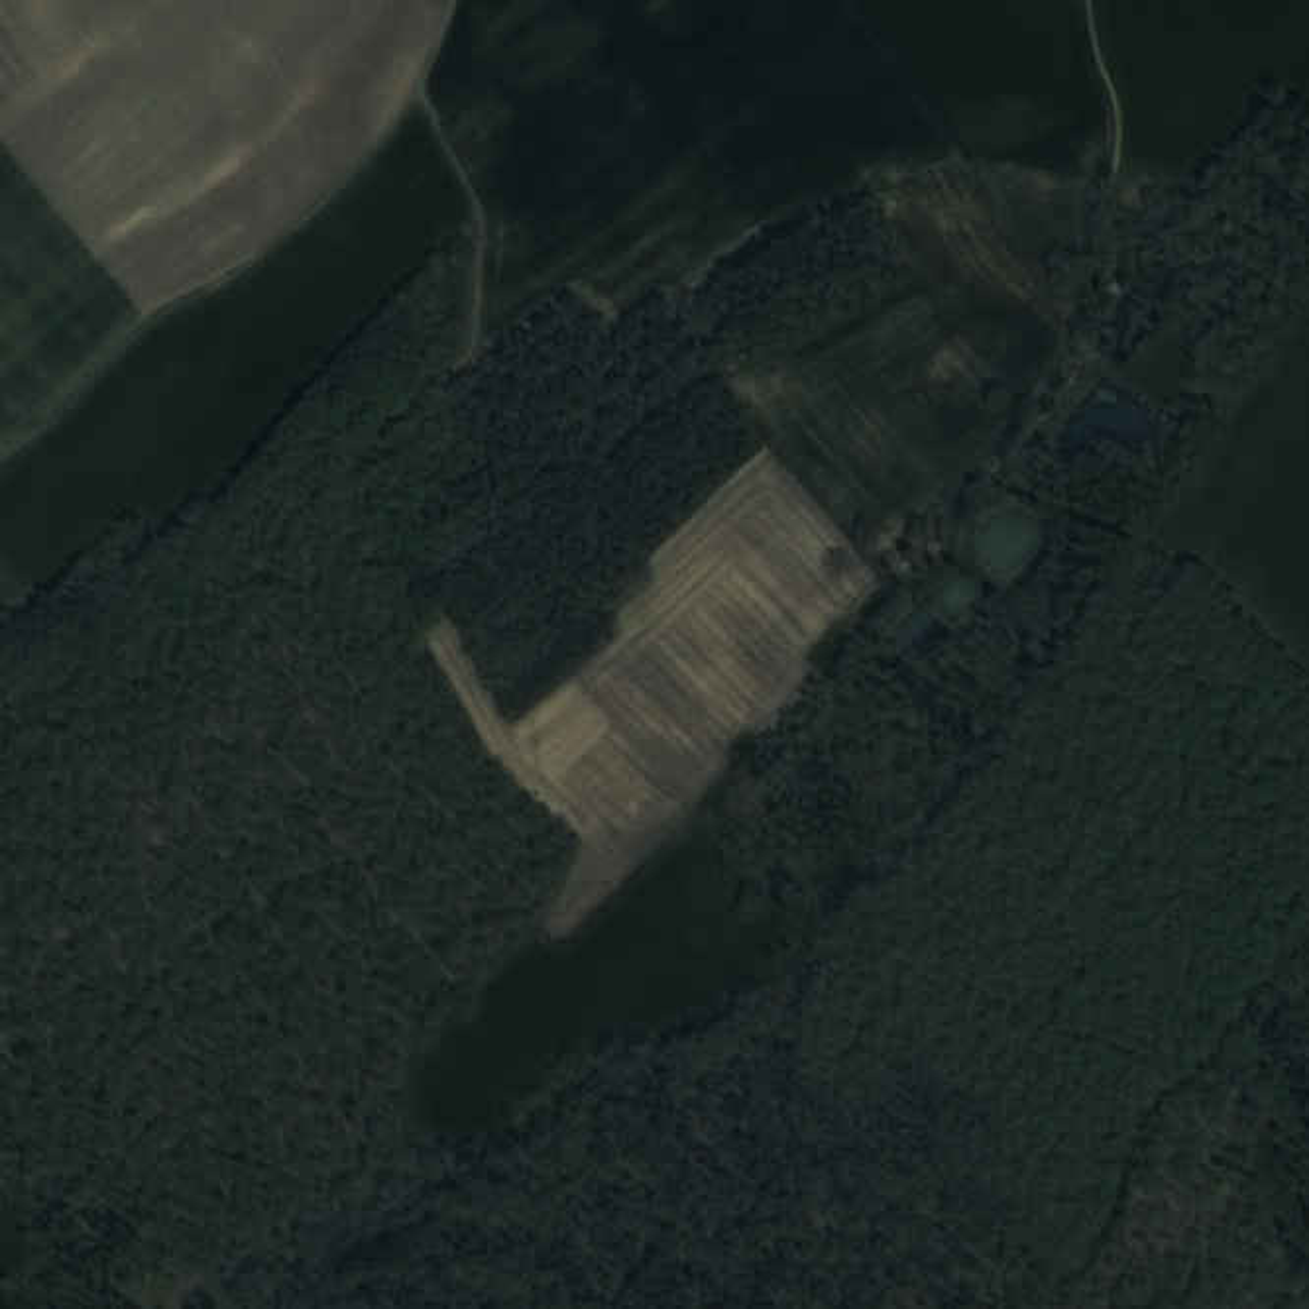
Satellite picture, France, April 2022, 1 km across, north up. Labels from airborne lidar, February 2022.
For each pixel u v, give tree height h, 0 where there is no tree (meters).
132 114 0
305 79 0
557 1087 0
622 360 25
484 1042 0
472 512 24
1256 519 0
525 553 22
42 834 23
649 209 0
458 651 0
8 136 0
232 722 25
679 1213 24
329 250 0
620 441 20
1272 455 0
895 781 15
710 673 0
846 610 0
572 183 0
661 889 0
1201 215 23
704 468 25
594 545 22
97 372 0
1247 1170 0
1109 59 0
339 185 0
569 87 0
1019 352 0
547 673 22
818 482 0
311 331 0
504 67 0
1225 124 0
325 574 22
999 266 0
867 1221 22
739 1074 23
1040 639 20
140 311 0
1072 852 27
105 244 0
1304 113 22
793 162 0
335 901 26
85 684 20
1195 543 0
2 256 0
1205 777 22
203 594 18
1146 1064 18
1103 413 0
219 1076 23
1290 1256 21
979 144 0
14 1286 17
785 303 24
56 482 0
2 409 0
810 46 0
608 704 0
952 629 0
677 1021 0
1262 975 15
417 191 0
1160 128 0
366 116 0
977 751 28
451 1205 23
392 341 22
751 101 0
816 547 0
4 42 0
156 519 0
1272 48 0
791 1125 20
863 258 24
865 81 0
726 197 0
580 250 0
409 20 0
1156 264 24
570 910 0
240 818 22
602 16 0
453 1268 26
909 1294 22
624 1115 25
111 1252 0
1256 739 23
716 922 0
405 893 26
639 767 0
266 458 20
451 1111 0
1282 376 0
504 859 24
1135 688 24
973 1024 21
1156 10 0
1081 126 0
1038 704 25
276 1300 27
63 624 26
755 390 0
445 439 24
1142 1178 23
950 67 0
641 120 0
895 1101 20
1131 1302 23
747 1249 19
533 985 0
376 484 24
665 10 0
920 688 24
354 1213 19
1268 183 25
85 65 0
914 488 0
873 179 0
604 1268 21
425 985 24
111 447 0
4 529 0
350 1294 25
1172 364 0
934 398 0
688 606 0
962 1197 20
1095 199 0
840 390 0
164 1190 25
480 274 0
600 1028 0
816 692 16
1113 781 25
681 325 14
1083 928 20
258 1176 24
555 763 0
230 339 0
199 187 0
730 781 0
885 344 0
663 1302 16
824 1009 29
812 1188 22
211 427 0
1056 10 0
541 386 22
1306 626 0
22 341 0
